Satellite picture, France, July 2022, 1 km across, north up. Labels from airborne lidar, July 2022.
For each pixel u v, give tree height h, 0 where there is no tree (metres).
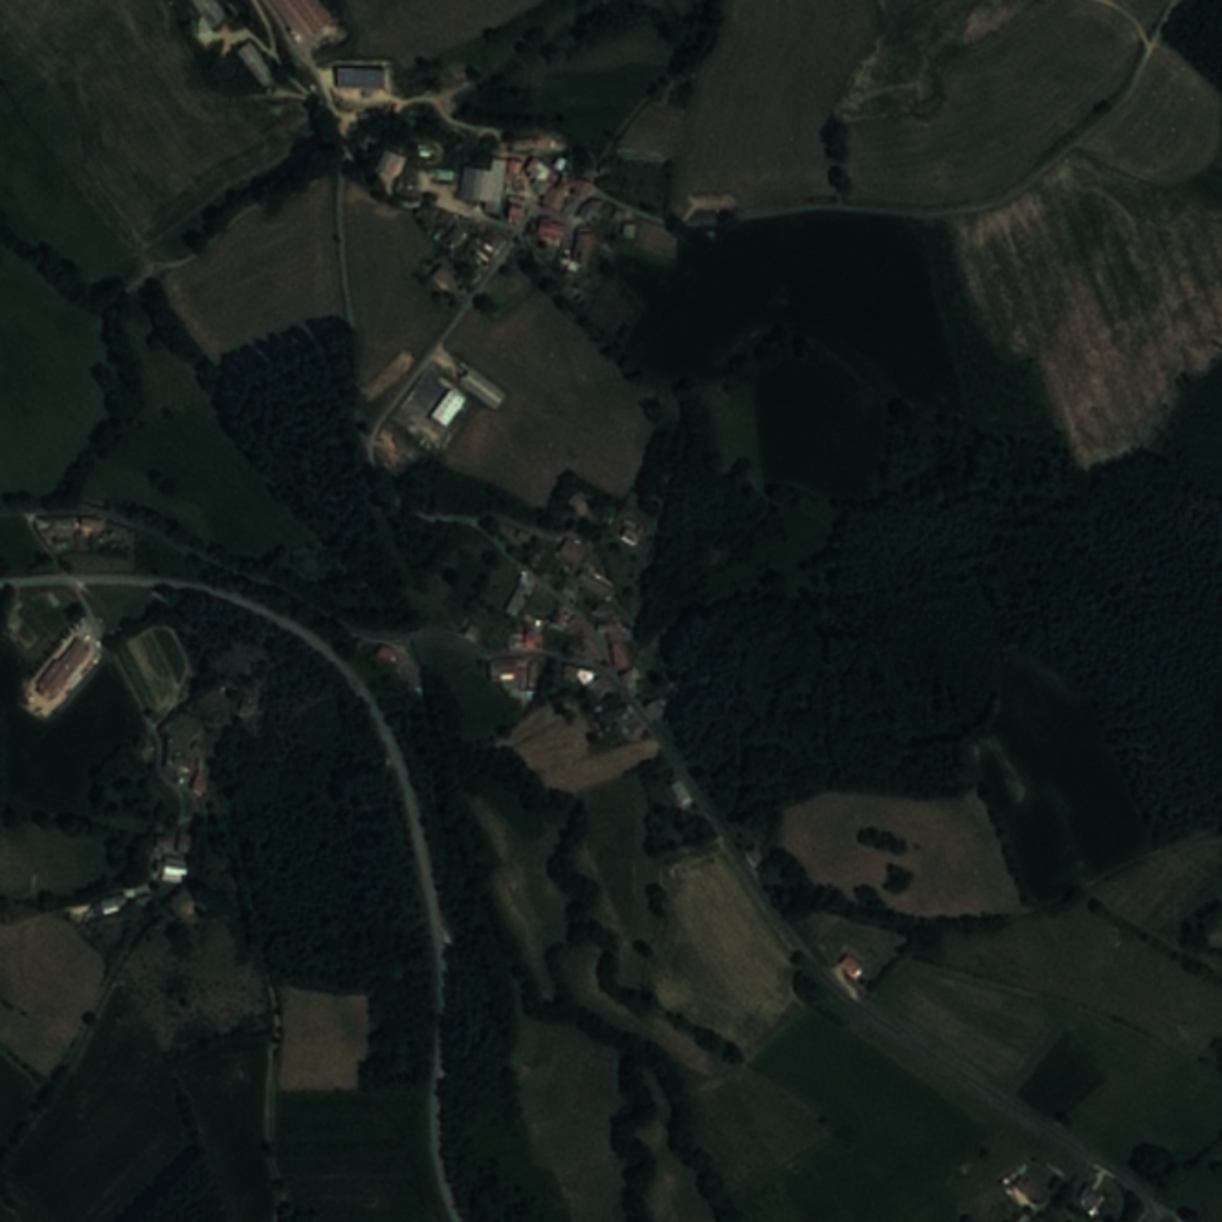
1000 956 0
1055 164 0
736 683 12
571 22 0
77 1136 0
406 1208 0
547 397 0
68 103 0
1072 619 21
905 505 20
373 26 0
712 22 18
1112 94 0
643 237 0
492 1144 0
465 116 12
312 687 10
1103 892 0
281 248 0
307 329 0
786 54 0
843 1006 0
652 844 12
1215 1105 0
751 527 19
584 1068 0
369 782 27
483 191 0
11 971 0
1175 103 0
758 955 0
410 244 0
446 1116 17
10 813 26
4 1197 10
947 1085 0
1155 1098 0
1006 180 0
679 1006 0
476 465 0
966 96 0
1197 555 20
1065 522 25
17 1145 9
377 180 13
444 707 16
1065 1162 0
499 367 0
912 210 0
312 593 13
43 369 0
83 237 0
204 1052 9
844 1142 0
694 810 6
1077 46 0
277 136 0
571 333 0
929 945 17
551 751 0
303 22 0
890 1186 0
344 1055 0
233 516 0
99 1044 0
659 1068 16
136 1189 0
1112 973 0
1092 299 0
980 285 0
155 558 0
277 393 37
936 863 0
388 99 0
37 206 0
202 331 0
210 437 0
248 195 10
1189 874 0
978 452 22
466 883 9
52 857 0
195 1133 9
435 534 12
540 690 12
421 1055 18
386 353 0
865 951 0
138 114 0
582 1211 0
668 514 10
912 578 19
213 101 0
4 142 0
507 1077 21
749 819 19
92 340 0
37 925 0
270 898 15
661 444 13
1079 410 0
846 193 14
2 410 0
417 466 6
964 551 13
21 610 0
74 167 0
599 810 0
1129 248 0
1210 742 18
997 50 0
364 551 15
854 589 19
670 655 25
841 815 0
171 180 0
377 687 6
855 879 0
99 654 0
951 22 0
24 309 0
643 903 0
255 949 11
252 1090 0
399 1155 0
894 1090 0
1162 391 0
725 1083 0
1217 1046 7
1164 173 0
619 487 0
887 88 0
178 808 0
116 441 13
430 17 0
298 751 8
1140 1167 18
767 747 8
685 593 22
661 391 0
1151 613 18
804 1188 0
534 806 18
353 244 0
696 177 0
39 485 0
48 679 0
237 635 18
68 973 0
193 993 0
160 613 16
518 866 0
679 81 7
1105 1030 0
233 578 10
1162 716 20
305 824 13
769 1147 0
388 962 12
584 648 0
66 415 0
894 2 0
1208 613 22
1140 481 25
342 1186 0
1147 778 16
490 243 0
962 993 0
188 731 0
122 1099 0
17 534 0
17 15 0
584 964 0
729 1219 21
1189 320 0
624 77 0
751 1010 0
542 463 0
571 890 15
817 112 0
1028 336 0
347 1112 0
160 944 0
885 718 17
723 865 0
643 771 8
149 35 0
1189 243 0
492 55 0
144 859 13
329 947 11
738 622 9
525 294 0
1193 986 0
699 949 0
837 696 10
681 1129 17
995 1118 0
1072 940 0
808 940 0
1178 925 0
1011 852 7
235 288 0
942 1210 0
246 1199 0
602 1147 0
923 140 0
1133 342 0
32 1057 0
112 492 0
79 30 0
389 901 24
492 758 19
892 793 9
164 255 0
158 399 0
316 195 0
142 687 0
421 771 10
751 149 0
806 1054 0
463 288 6
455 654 0
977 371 0
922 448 18
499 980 10
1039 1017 0
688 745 24
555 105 0
